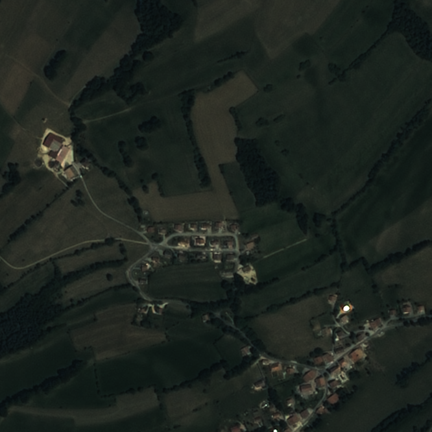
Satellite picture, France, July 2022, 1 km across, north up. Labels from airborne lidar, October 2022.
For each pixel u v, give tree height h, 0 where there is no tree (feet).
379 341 0
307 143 0
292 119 0
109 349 0
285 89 0
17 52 0
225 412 0
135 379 0
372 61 0
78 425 0
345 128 0
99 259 0
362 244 0
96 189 0
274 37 0
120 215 0
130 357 0
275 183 67
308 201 0
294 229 0
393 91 0
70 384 0
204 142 0
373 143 0
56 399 0
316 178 0
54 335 0
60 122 0
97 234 0
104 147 0
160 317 0
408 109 0
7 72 0
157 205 0
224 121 0
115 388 0
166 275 0
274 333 0
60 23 0
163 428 0
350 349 0
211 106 0
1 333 51
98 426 0
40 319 37
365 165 0
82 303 45
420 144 0
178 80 0
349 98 0
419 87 0
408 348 0
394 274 0
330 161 0
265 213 0
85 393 0
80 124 60
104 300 0
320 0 0
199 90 0
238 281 60
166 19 61
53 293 20
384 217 0
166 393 43
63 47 0
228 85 0
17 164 28
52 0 0
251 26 0
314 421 0
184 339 0
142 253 0
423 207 0
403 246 0
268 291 0
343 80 34
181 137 0
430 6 0
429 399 24
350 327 0
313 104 0
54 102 0
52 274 0
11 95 0
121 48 0
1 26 0
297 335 0
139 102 0
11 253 0
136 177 0
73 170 0
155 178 52
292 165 0
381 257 0
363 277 0
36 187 0
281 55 0
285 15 0
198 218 0
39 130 0
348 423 0
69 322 0
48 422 0
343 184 0
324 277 0
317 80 0
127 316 0
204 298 0
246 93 0
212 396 0
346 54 0
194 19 0
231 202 0
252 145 60
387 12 0
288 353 0
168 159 0
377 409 0
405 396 0
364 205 0
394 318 0
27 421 0
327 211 0
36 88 0
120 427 0
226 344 0
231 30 0
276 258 0
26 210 0
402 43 0
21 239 0
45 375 0
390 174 0
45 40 0
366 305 0
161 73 0
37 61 0
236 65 0
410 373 83
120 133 0
